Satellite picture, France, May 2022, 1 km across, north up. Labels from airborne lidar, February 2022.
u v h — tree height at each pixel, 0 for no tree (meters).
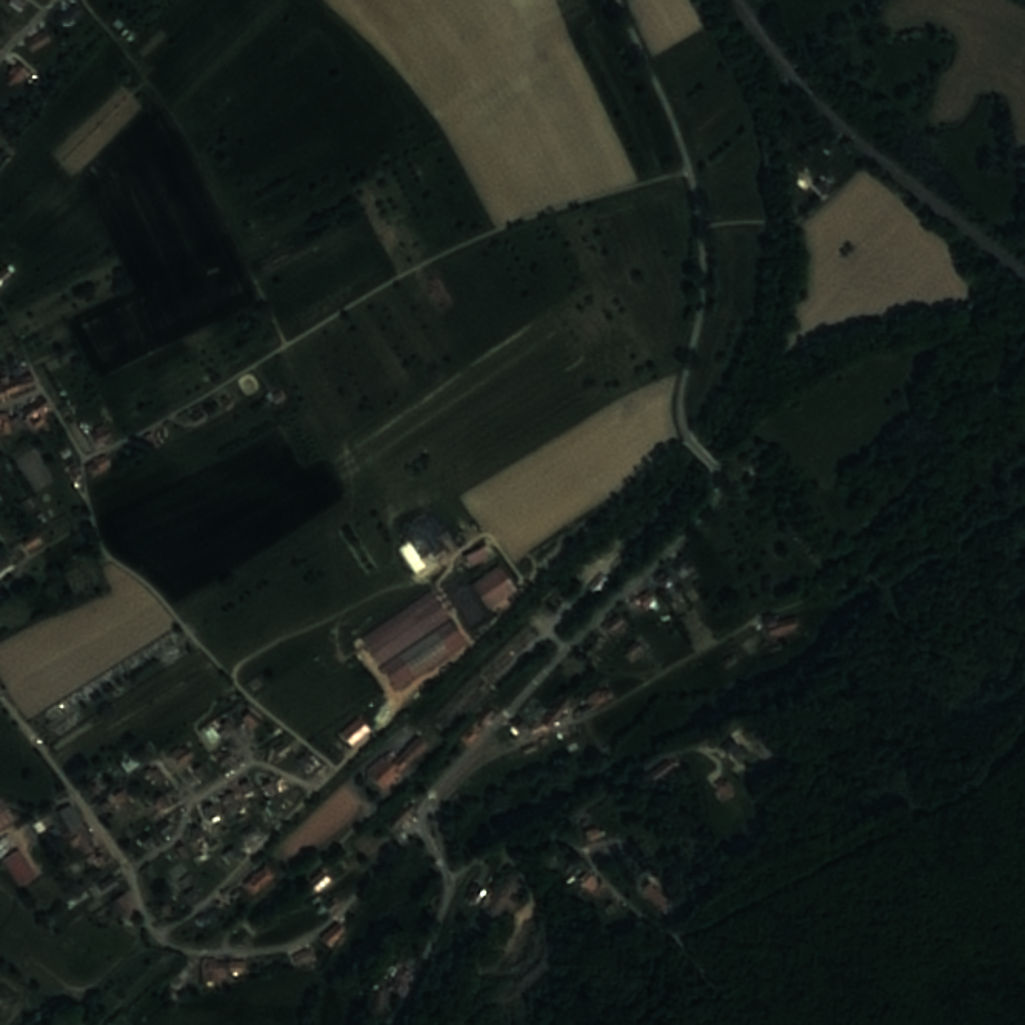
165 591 0
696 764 0
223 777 0
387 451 0
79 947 0
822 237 0
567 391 0
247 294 0
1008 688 12
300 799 0
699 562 0
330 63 0
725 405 21
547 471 0
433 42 0
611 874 16
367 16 0
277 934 0
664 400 0
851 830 22
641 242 0
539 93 0
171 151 0
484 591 0
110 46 0
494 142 0
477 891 0
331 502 0
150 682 0
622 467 0
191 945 0
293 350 0
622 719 0
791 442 0
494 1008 8
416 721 0
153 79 0
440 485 0
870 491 15
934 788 18
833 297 0
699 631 0
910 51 0
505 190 0
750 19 0
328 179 7
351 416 0
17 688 0
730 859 26
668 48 0
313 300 0
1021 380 28
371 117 0
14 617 0
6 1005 0
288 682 0
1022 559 15
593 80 0
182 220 0
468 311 0
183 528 0
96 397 11
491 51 0
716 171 0
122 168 0
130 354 0
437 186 0
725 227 0
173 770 0
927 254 0
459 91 0
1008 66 0
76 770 17
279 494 0
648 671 0
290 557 0
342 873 0
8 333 0
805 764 27
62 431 6
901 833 17
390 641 0
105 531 0
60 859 16
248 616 0
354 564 0
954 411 21
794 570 0
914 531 23
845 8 0
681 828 9
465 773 0
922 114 18
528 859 17
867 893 18
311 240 7
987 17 0
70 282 0
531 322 0
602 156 0
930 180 21
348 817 0
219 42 0
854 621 15
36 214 0
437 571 0
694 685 0
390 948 17
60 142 0
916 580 15
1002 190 0
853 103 14
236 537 0
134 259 0
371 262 0
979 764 15
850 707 27
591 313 0
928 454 16
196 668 0
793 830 28
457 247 0
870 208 0
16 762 0
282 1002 0
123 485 0
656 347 0
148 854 0
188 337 0
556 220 0
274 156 0
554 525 0
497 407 0
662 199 0
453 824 17
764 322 21
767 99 15
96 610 0
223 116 0
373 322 0
